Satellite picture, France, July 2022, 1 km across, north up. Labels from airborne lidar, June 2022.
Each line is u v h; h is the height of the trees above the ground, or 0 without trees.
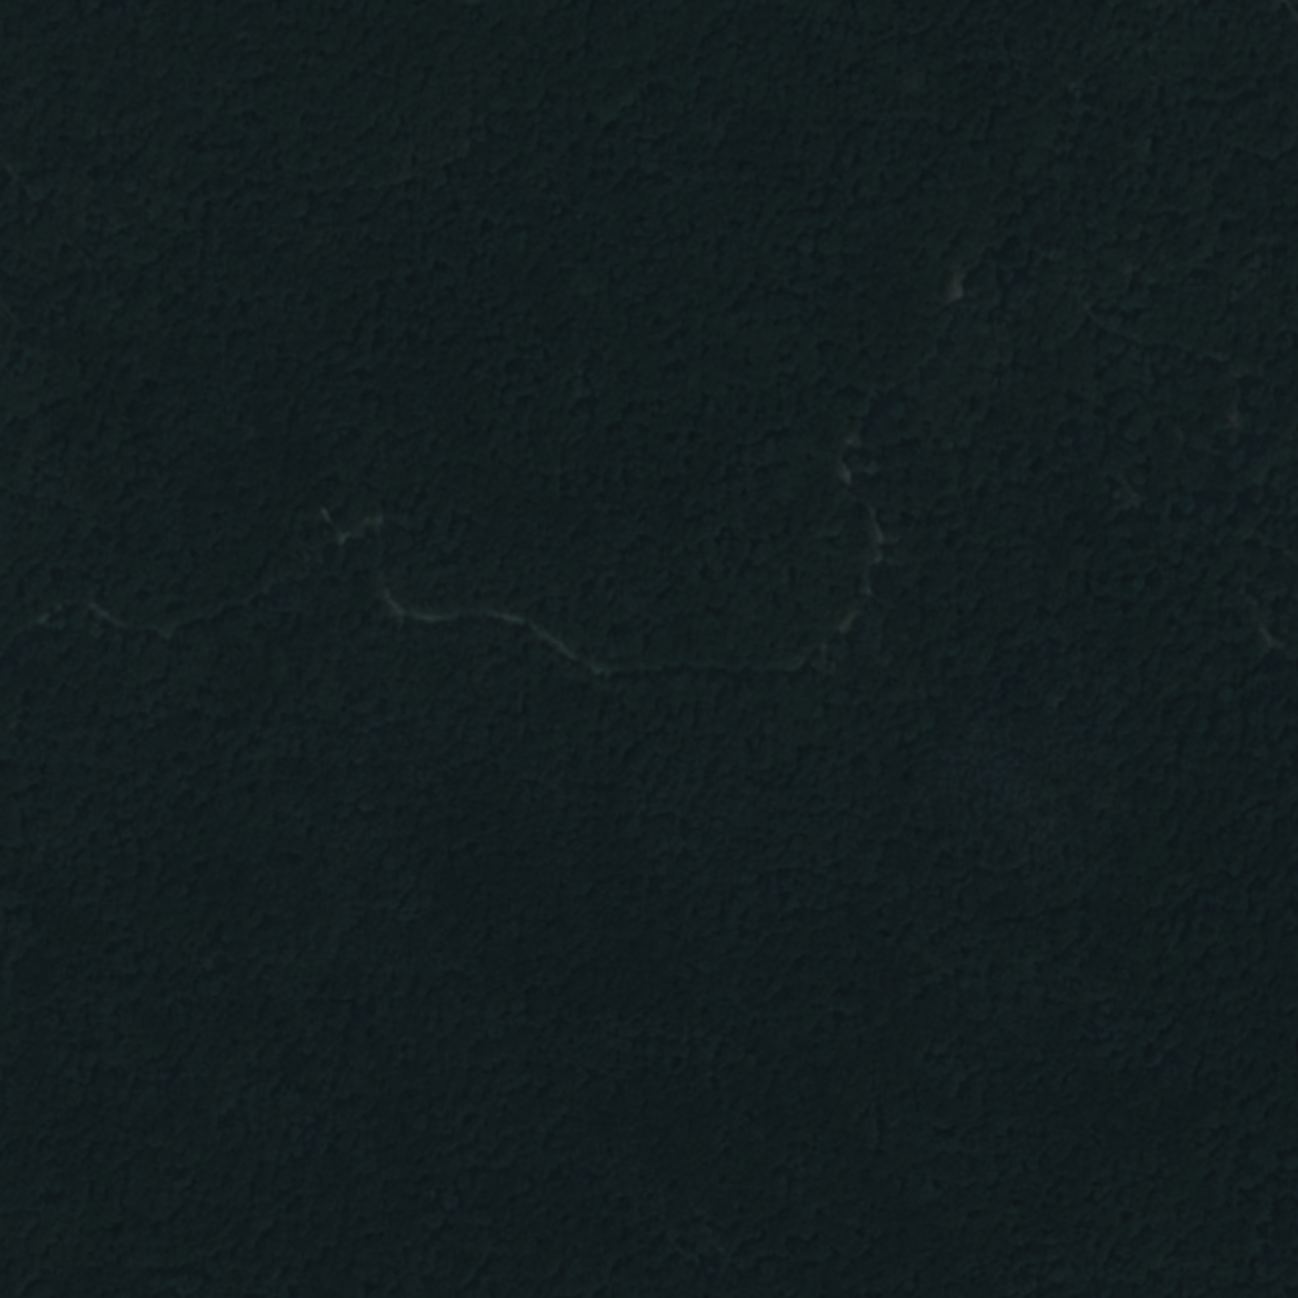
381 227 25
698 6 25
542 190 21
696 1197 23
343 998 28
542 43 26
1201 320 22
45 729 21
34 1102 28
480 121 17
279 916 27
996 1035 18
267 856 21
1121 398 29
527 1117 21
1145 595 27
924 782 17
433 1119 29
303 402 19
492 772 28
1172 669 28
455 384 23
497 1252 17
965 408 26
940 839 25
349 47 24
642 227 23
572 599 19
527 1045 22
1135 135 29
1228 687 22
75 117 26
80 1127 30
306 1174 28
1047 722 23
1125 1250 22
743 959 25
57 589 25
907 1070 28
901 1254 24
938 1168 29
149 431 18
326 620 21
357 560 23
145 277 25
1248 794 26
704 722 18
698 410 19
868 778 23
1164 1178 26
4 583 25
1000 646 18
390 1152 27
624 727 18
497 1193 22
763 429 22
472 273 25
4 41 26
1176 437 28
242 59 34
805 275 21
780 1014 21
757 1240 24
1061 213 23
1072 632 27
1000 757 25
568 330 27
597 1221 24
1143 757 31
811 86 24
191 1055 25
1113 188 24
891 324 25
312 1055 24
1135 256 21
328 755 21
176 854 27
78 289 22
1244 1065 24
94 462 28
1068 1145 26
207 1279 26
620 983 25
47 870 13
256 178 18
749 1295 22
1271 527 24
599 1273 22
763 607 27
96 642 22
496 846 22
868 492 25
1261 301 28
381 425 19
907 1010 31
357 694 18
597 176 27
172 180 19
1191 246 23
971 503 27
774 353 19
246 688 20
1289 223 21
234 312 18
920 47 25
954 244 27
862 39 20
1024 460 23
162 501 19
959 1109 29
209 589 19
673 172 24
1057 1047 25
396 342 25
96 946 22
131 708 24
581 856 25
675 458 26
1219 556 28
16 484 23
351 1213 28
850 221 22
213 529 24
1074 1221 20
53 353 23
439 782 26
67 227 24
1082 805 30
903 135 17
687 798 22
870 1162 25
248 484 19
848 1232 27
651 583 18
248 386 20
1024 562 24
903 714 22
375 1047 28
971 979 24
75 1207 27
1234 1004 18
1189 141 17
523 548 23
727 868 24
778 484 26
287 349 23
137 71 25
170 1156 29
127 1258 28
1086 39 25
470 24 27
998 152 21
